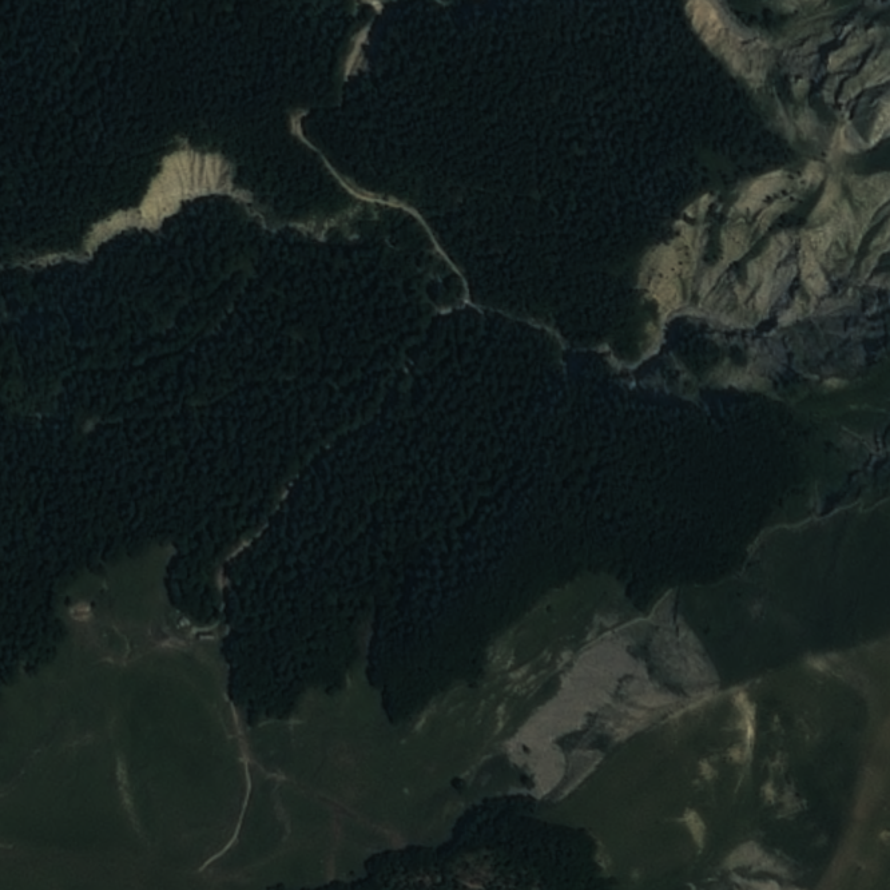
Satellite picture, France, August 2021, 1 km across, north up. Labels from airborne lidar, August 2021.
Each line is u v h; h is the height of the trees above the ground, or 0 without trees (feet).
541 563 54
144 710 0
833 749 0
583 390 62
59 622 46
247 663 67
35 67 69
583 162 70
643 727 0
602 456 72
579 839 35
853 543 0
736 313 0
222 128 39
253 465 63
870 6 0
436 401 73
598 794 0
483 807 32
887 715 0
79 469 33
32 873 0
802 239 0
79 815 0
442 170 32
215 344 60
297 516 42
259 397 35
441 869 55
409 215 27
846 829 0
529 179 43
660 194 48
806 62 0
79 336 62
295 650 59
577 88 56
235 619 67
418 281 34
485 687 0
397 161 30
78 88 62
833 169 0
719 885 0
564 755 0
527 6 45
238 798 0
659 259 0
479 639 40
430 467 71
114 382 55
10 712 0
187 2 64
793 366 0
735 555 40
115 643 0
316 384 25
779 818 0
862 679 0
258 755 0
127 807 0
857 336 0
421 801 0
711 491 58
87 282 82
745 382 0
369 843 0
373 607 35
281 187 40
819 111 0
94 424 0
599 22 64
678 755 0
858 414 0
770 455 36
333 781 0
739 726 0
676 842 0
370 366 43
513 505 68
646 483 60
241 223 31
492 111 62
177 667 0
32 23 78
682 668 0
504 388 54
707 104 56
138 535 43
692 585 24
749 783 0
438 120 64
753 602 0
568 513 63
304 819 0
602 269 24
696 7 0
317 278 59
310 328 72
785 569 0
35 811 0
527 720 0
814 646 0
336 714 0
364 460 44
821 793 0
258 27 42
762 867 0
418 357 74
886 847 0
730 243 0
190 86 61
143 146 52
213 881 0
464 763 0
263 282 54
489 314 42
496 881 29
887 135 0
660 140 57
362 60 0
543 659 0
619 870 0
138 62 70
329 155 32
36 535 36
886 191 0
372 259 30
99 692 0
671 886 0
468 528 59
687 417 65
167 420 52
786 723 0
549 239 37
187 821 0
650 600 33
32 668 57
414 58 56
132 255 75
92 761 0
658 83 71
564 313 72
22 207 50
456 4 29
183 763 0
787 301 0
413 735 0
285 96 46
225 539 49
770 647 0
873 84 0
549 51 44
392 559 82
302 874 0
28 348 82
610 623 0
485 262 73
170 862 0
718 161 0
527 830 44
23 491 54
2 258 98
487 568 52
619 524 51
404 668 52
